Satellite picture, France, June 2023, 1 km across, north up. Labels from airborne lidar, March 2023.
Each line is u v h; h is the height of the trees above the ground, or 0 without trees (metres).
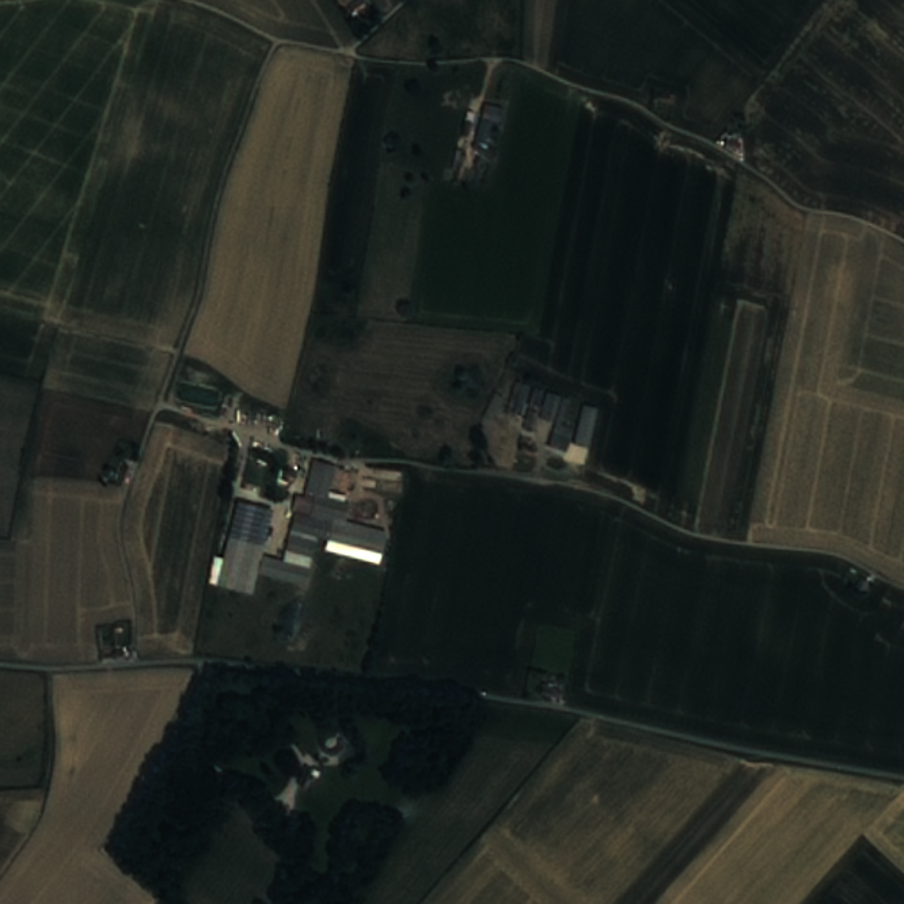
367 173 0
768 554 0
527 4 0
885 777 0
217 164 0
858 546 0
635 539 0
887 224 0
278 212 0
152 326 0
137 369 0
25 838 0
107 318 0
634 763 0
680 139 0
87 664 0
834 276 0
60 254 0
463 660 0
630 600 0
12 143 0
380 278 0
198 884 0
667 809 0
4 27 0
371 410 0
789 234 0
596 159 0
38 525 0
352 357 0
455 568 0
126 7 0
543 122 0
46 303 0
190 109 0
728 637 0
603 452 0
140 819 22
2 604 0
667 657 0
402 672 0
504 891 0
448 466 12
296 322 0
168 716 0
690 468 0
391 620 0
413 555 0
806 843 0
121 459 7
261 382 0
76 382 0
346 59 0
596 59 0
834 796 0
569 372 0
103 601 0
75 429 0
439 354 0
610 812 0
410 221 0
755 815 0
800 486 0
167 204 0
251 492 0
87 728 0
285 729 28
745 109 0
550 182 0
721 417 0
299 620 0
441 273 0
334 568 0
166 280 0
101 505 0
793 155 0
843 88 0
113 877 0
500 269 0
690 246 0
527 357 0
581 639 0
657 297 0
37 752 0
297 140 0
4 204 0
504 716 0
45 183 0
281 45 0
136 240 0
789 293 0
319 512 0
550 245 0
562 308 0
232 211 0
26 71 0
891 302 0
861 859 0
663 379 0
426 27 0
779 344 0
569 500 0
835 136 0
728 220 0
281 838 29
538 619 0
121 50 0
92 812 0
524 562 0
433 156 0
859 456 0
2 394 0
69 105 0
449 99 0
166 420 0
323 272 0
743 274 0
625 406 0
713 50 0
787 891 0
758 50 0
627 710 0
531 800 0
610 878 0
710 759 0
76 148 0
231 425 0
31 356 0
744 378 0
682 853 0
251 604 0
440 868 0
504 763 0
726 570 0
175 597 0
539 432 0
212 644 0
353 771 17
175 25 0
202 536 0
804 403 0
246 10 0
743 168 0
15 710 0
